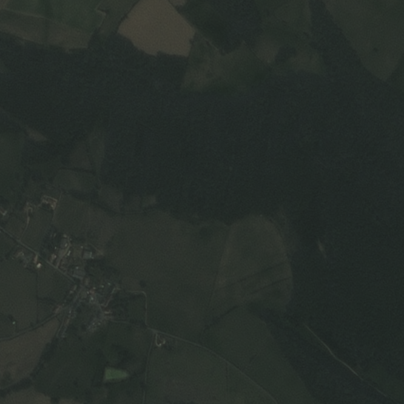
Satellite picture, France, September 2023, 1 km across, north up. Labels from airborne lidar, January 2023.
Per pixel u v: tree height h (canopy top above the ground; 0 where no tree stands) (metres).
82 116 24
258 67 0
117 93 19
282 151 22
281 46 0
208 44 9
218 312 0
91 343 0
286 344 27
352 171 18
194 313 0
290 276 0
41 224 0
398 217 28
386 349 19
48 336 0
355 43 0
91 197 14
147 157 23
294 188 24
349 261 23
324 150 23
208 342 0
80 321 0
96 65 23
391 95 18
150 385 0
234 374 0
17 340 0
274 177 22
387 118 9
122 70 20
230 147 26
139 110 20
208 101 22
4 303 0
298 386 0
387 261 23
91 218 0
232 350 0
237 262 0
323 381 35
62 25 0
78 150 0
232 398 0
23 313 0
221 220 13
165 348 14
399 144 16
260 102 24
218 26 0
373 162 21
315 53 0
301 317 24
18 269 0
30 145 17
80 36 0
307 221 7
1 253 0
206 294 0
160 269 0
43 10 0
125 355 6
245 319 0
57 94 31
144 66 16
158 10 0
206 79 0
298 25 0
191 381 0
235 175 26
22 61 26
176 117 32
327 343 7
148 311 0
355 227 20
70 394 0
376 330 22
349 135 23
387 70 0
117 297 11
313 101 22
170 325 0
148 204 0
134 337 0
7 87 20
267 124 6
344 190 23
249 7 23
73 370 0
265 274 0
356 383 11
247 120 23
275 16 12
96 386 8
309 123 20
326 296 23
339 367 8
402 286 15
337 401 21
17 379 0
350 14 0
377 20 0
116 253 0
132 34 0
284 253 0
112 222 0
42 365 9
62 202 0
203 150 29
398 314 15
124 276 0
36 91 26
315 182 26
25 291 0
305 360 24
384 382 0
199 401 0
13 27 0
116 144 26
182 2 0
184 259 0
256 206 20
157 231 0
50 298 6
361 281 22
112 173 24
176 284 0
